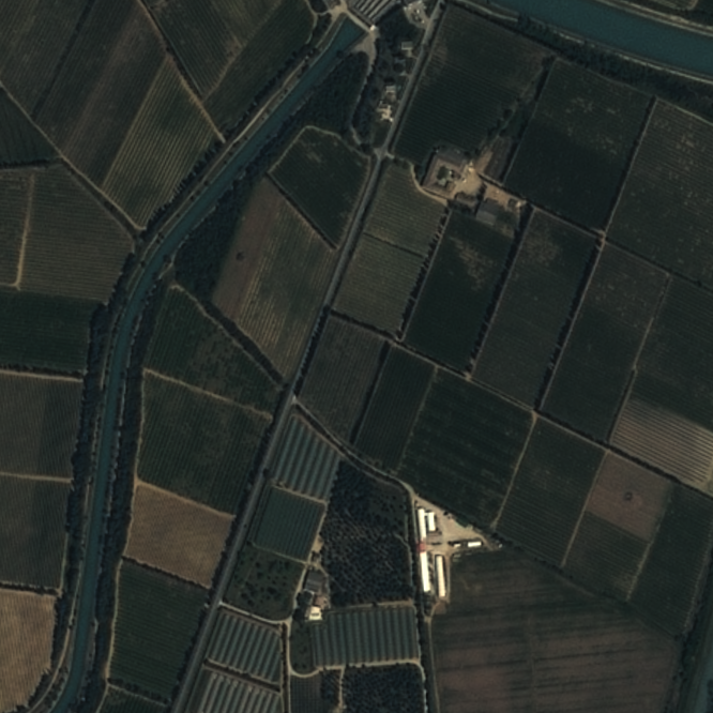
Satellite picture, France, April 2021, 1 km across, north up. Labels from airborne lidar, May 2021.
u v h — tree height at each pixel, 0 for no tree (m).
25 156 0
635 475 0
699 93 0
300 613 10
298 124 12
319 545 0
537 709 0
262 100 13
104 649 7
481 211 0
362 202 0
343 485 10
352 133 18
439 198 0
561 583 0
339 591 9
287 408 0
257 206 0
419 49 6
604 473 0
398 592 8
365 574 8
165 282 7
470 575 0
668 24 0
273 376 8
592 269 16
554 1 0
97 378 17
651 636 0
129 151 0
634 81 11
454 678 0
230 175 0
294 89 0
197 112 0
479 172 0
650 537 0
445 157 0
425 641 10
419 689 9
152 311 7
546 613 0
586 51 10
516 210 0
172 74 0
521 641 0
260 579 10
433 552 6
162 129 0
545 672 0
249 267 0
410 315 14
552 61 10
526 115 6
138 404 7
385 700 7
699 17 10
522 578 0
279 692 14
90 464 16
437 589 0
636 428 0
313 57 8
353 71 11
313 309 0
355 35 0
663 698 0
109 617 6
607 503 0
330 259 0
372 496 9
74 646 0
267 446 12
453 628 0
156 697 8
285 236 0
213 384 0
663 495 0
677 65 0
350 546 6
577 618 0
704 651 0
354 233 0
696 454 0
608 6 0
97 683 11
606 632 0
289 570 12
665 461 0
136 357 6
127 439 6
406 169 11
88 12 11
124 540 8
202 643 0
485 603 0
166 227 0
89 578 0
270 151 14
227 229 6
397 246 7
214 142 0
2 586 10
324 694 11
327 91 6
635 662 0
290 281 0
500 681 0
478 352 11
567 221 16
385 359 15
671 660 0
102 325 14
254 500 0
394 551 8
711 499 5
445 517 0
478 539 0
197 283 7
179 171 0
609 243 10
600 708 0
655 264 8
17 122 0
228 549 10
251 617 6
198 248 6
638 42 0
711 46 0
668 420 0
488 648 0
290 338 0
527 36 13
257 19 0
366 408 10
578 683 0
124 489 10
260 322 0
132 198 0
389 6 0
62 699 0
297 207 18
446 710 0
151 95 0
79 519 13
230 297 0
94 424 10
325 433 16
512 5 0
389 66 16
